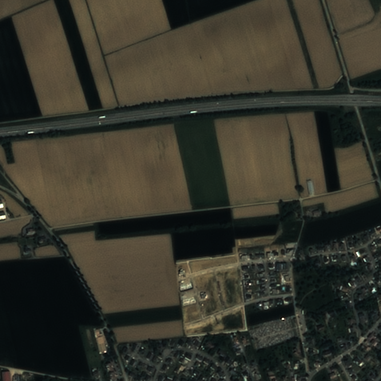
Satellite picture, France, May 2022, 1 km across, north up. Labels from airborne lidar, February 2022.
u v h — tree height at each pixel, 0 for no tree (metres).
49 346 0
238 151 0
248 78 0
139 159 0
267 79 0
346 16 0
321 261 0
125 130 0
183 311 0
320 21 0
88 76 0
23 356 0
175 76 0
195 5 0
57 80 0
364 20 0
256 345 0
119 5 0
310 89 0
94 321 0
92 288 0
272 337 0
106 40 0
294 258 0
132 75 0
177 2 0
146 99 0
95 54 0
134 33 0
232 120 0
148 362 0
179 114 0
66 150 0
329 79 0
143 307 0
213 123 0
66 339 0
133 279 0
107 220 0
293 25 0
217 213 0
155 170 0
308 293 0
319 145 0
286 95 0
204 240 0
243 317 0
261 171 0
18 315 0
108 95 0
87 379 0
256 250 0
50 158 0
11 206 0
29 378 0
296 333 0
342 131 9
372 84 7
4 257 0
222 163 0
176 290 0
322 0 0
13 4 0
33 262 0
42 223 0
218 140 0
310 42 0
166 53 0
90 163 0
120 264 0
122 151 0
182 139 0
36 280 0
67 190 0
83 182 0
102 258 0
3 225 0
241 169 0
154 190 0
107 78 0
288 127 0
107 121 0
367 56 0
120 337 0
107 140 0
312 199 0
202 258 0
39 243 10
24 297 0
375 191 0
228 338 0
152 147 0
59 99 0
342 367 0
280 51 0
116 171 0
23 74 0
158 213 0
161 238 0
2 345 0
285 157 0
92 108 0
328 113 0
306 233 0
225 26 0
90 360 0
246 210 0
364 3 0
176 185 0
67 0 0
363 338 0
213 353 8
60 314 0
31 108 0
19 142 0
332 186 0
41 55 0
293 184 0
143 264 0
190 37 0
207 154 0
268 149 0
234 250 0
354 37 0
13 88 0
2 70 0
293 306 0
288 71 0
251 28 0
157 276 0
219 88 0
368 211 0
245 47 0
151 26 0
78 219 0
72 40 0
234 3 0
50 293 0
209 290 0
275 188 0
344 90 0
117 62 0
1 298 0
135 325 0
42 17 0
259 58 0
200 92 0
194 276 0
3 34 0
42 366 0
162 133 0
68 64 0
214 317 0
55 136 12
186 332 0
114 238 0
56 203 0
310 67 0
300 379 0
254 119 0
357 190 0
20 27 0
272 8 0
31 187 0
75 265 0
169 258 0
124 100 0
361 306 15
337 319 0
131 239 0
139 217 0
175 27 0
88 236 0
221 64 0
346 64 0
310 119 0
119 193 0
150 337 0
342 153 0
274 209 0
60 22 0
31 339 0
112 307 0
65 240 0
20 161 0
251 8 0
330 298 0
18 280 0
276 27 0
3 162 0
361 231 0
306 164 0
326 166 0
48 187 0
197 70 0
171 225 0
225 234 0
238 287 0
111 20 0
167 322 0
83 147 0
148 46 0
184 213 0
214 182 0
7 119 0
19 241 0
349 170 0
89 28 0
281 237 0
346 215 0
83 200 0
